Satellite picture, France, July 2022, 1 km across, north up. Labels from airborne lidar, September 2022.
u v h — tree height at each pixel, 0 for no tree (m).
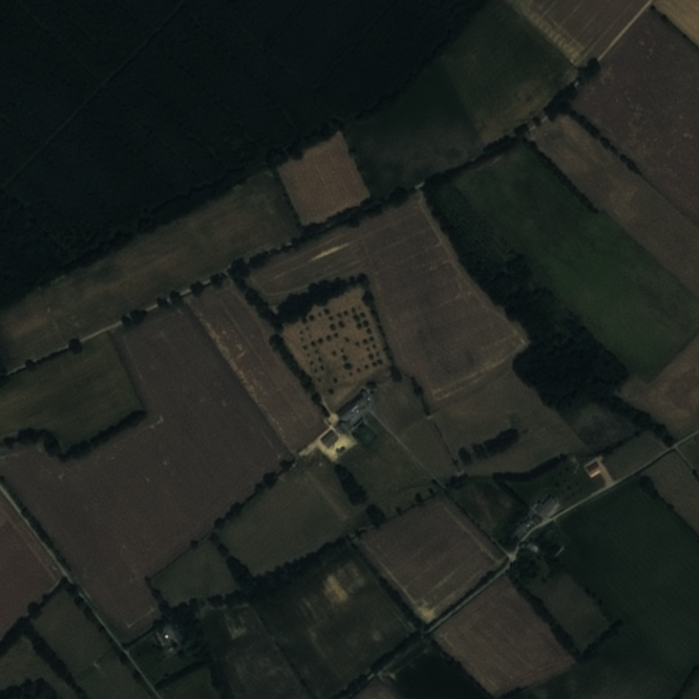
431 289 0
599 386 18
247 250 0
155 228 11
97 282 0
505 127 0
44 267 14
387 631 0
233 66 7
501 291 17
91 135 7
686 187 0
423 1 13
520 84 0
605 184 0
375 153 0
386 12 11
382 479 0
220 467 0
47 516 0
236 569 23
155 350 0
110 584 0
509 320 9
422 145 0
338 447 0
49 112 6
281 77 7
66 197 6
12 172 6
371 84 10
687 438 0
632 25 0
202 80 6
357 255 0
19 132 7
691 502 0
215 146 6
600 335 0
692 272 0
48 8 8
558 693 0
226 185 14
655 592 0
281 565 0
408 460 0
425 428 0
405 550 0
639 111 0
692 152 0
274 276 0
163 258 0
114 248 15
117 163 6
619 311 0
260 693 0
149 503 0
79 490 0
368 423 0
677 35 0
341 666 0
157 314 0
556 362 17
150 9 8
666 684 0
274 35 11
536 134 0
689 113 0
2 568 0
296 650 0
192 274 0
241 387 0
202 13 6
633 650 0
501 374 0
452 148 0
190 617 17
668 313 0
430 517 0
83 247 9
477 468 0
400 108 0
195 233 0
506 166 0
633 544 0
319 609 0
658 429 19
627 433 0
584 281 0
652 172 0
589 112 0
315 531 0
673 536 0
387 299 0
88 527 0
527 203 0
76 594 16
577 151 0
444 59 0
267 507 0
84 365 0
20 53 7
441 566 0
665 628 0
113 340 0
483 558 0
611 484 0
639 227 0
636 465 0
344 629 0
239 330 0
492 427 0
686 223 0
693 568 0
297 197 0
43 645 19
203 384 0
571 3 0
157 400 0
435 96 0
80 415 0
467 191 0
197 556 0
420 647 0
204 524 0
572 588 0
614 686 0
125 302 0
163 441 0
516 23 0
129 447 0
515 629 0
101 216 7
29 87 6
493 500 0
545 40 0
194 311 0
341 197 0
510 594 0
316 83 9
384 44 11
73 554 0
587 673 0
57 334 0
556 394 24
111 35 7
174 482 0
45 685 18
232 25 6
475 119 0
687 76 0
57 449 22
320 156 0
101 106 6
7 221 18
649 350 0
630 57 0
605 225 0
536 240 0
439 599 0
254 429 0
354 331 0
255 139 8
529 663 0
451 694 0
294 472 0
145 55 7
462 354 0
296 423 0
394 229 0
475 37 0
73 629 0
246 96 7
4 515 0
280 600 0
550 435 0
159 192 7
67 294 0
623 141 0
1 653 15
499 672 0
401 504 0
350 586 0
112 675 0
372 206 14
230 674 0
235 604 14
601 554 0
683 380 0
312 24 10
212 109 6
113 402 0
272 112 6
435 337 0
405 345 0
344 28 10
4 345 0
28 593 0
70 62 7
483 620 0
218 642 0
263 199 0
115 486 0
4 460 0
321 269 0
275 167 11
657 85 0
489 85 0
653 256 0
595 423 0
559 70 0
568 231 0
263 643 0
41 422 0
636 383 0
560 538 0
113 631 0
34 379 0
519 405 0
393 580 0
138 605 0
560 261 0
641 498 0
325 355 0
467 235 7
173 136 6
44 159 8
